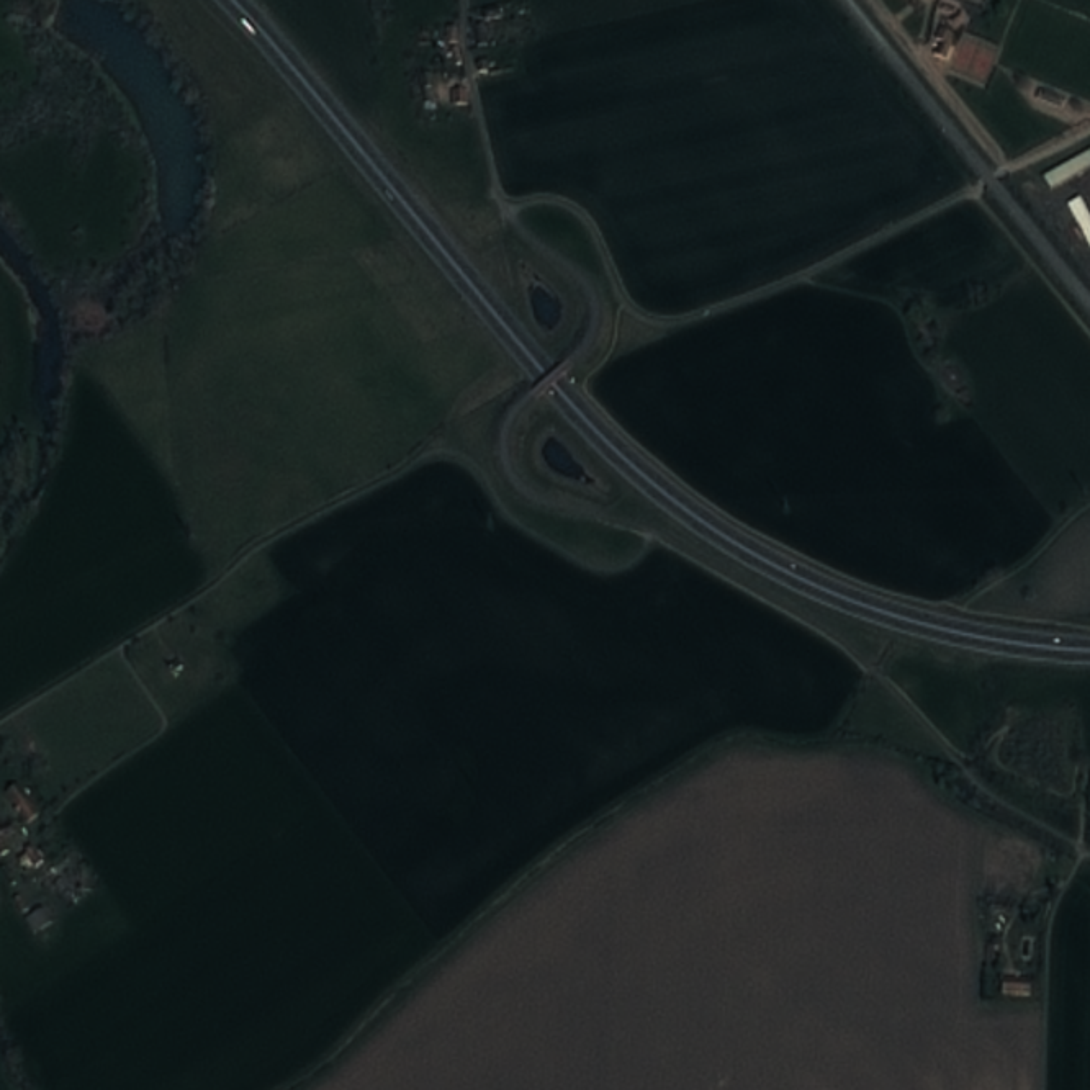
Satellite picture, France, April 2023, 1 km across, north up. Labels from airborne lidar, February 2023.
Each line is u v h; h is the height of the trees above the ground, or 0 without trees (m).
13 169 0
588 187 0
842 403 0
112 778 0
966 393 0
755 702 0
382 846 0
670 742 0
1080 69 0
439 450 0
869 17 0
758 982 0
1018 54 0
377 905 0
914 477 0
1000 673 0
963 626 0
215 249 0
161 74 0
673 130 0
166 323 0
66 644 0
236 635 0
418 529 0
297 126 0
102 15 0
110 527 0
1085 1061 0
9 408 0
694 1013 0
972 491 0
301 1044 0
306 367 0
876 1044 0
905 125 0
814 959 0
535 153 0
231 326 0
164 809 0
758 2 0
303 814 0
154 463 0
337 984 0
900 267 0
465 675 0
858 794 0
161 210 0
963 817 0
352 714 0
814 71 0
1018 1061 0
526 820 0
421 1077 0
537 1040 0
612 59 0
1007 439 0
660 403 0
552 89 0
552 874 0
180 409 0
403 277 0
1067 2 0
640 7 0
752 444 0
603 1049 0
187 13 0
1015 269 0
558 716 0
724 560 0
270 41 0
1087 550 0
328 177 0
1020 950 0
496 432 0
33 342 0
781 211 0
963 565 0
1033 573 0
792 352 0
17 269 0
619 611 0
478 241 0
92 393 0
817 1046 0
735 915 0
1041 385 0
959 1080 0
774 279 0
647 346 0
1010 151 0
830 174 0
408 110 0
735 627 0
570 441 0
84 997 0
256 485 0
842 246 0
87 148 8
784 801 0
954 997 0
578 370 0
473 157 0
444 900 0
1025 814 0
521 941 0
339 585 0
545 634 0
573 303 0
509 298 0
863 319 0
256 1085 0
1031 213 9
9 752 12
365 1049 0
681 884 0
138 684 0
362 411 0
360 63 0
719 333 0
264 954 0
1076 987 0
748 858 0
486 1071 0
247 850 0
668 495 0
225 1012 0
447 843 0
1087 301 0
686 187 0
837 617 0
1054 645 0
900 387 0
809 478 0
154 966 0
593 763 0
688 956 0
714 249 0
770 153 0
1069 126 0
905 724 0
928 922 0
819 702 0
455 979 0
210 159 8
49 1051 0
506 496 0
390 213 0
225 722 0
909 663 0
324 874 0
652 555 0
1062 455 0
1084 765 18
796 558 0
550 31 0
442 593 0
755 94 0
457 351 0
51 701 0
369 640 0
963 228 0
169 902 0
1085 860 0
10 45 0
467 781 0
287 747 0
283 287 0
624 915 0
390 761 0
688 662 0
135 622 0
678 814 0
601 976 0
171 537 0
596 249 0
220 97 0
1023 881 0
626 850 0
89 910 0
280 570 0
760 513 0
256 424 0
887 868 0
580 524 0
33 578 0
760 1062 0
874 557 0
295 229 0
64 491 0
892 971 0
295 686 0
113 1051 0
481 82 0
